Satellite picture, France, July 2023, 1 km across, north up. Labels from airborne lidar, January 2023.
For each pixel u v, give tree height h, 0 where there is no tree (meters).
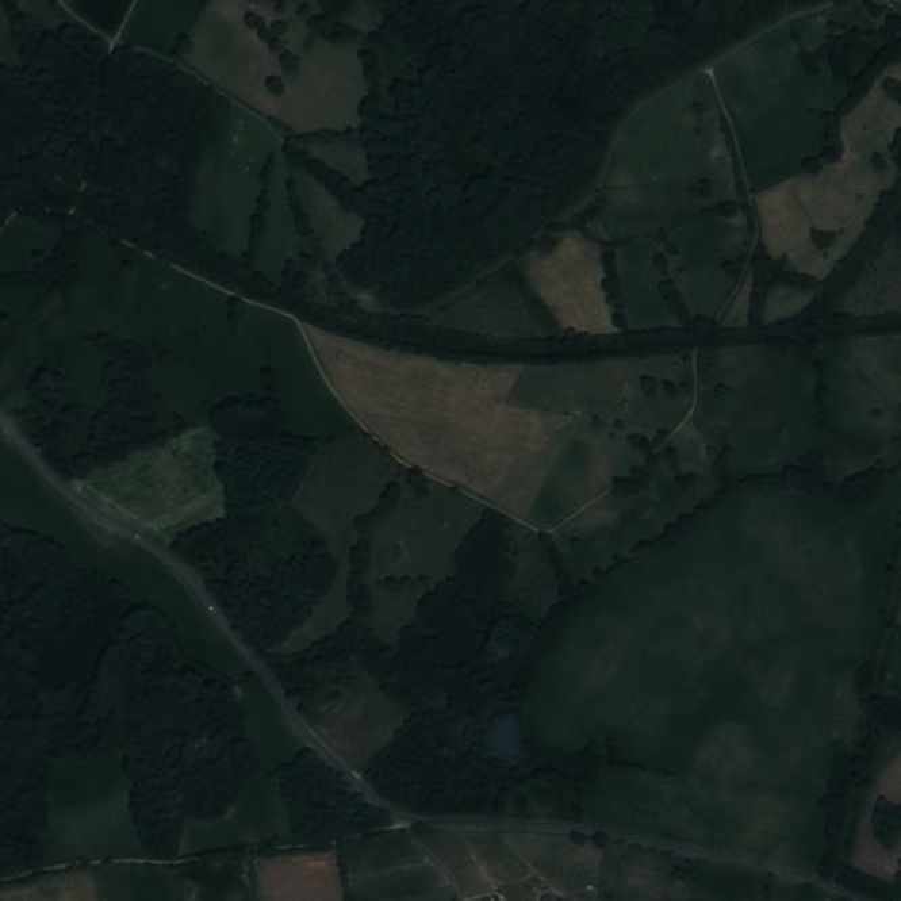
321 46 0
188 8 0
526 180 11
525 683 9
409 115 12
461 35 16
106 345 13
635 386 0
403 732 7
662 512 0
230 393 0
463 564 7
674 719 0
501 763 11
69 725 16
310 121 0
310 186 0
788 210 0
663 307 0
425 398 0
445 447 0
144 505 0
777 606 0
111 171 10
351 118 0
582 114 21
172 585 0
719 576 0
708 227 0
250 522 12
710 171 0
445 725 8
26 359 0
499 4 30
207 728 15
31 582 23
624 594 0
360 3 0
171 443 0
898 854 0
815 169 18
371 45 15
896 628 9
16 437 0
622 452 0
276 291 13
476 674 16
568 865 0
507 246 10
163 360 9
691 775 0
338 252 0
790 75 0
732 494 7
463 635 7
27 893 0
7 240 0
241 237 0
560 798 0
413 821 0
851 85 14
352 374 0
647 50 24
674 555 0
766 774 0
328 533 0
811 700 0
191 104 10
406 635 9
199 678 29
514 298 0
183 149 16
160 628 26
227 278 6
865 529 0
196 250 10
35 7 0
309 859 0
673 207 0
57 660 7
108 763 0
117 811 0
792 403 0
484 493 0
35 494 0
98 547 0
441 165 19
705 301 0
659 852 8
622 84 14
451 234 13
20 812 23
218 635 0
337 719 0
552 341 12
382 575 0
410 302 8
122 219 10
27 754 28
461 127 22
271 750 0
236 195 0
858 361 0
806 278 14
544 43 27
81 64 26
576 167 12
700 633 0
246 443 16
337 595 0
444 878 0
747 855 0
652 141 0
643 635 0
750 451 0
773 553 0
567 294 0
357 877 0
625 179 0
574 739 0
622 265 0
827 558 0
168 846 16
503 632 37
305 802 16
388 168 22
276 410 19
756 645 0
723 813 0
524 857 0
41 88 23
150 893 0
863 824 0
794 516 0
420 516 0
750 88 0
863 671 7
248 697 0
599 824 0
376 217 13
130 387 23
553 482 0
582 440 0
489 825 0
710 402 0
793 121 0
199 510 0
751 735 0
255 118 0
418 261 13
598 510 0
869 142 0
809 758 0
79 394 0
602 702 0
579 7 26
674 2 20
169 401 0
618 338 10
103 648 6
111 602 6
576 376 0
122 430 20
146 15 0
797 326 9
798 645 0
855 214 0
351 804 14
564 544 0
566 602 14
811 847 0
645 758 0
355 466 0
